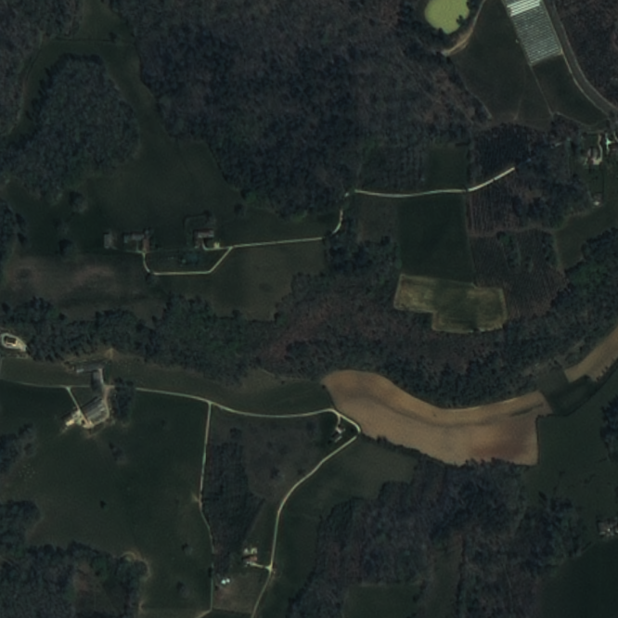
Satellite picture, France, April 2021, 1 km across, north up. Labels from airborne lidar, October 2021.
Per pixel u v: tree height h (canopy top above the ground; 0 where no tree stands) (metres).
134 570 12
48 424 0
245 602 0
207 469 8
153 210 0
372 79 12
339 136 26
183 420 0
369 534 10
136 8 21
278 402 0
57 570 24
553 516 17
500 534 26
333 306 8
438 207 0
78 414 0
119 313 13
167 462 0
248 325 9
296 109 17
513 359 17
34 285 0
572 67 0
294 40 14
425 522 17
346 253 11
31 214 0
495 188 7
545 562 18
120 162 23
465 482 16
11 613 31
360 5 16
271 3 21
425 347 7
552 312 10
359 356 20
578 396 0
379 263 15
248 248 0
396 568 15
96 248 0
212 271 0
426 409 0
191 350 22
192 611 0
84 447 0
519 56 0
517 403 0
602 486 0
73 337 16
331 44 13
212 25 14
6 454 26
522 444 0
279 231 0
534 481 0
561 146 13
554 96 0
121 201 0
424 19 0
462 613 14
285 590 0
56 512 0
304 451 0
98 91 16
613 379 0
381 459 0
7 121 30
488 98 0
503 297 0
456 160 0
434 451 0
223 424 0
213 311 12
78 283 0
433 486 9
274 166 26
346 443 0
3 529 25
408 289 0
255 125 19
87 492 0
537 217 25
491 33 0
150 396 0
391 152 11
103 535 0
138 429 0
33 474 0
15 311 5
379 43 12
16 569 26
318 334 10
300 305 12
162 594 0
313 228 0
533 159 13
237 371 22
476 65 0
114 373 0
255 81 14
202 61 17
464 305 0
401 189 11
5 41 21
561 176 19
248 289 0
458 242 0
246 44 11
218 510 9
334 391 0
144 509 0
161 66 17
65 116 27
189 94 19
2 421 0
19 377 0
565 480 0
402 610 0
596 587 0
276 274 0
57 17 26
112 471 0
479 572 21
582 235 0
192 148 0
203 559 0
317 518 0
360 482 0
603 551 0
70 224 0
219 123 17
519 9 0
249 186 15
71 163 28
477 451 0
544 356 16
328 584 13
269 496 0
